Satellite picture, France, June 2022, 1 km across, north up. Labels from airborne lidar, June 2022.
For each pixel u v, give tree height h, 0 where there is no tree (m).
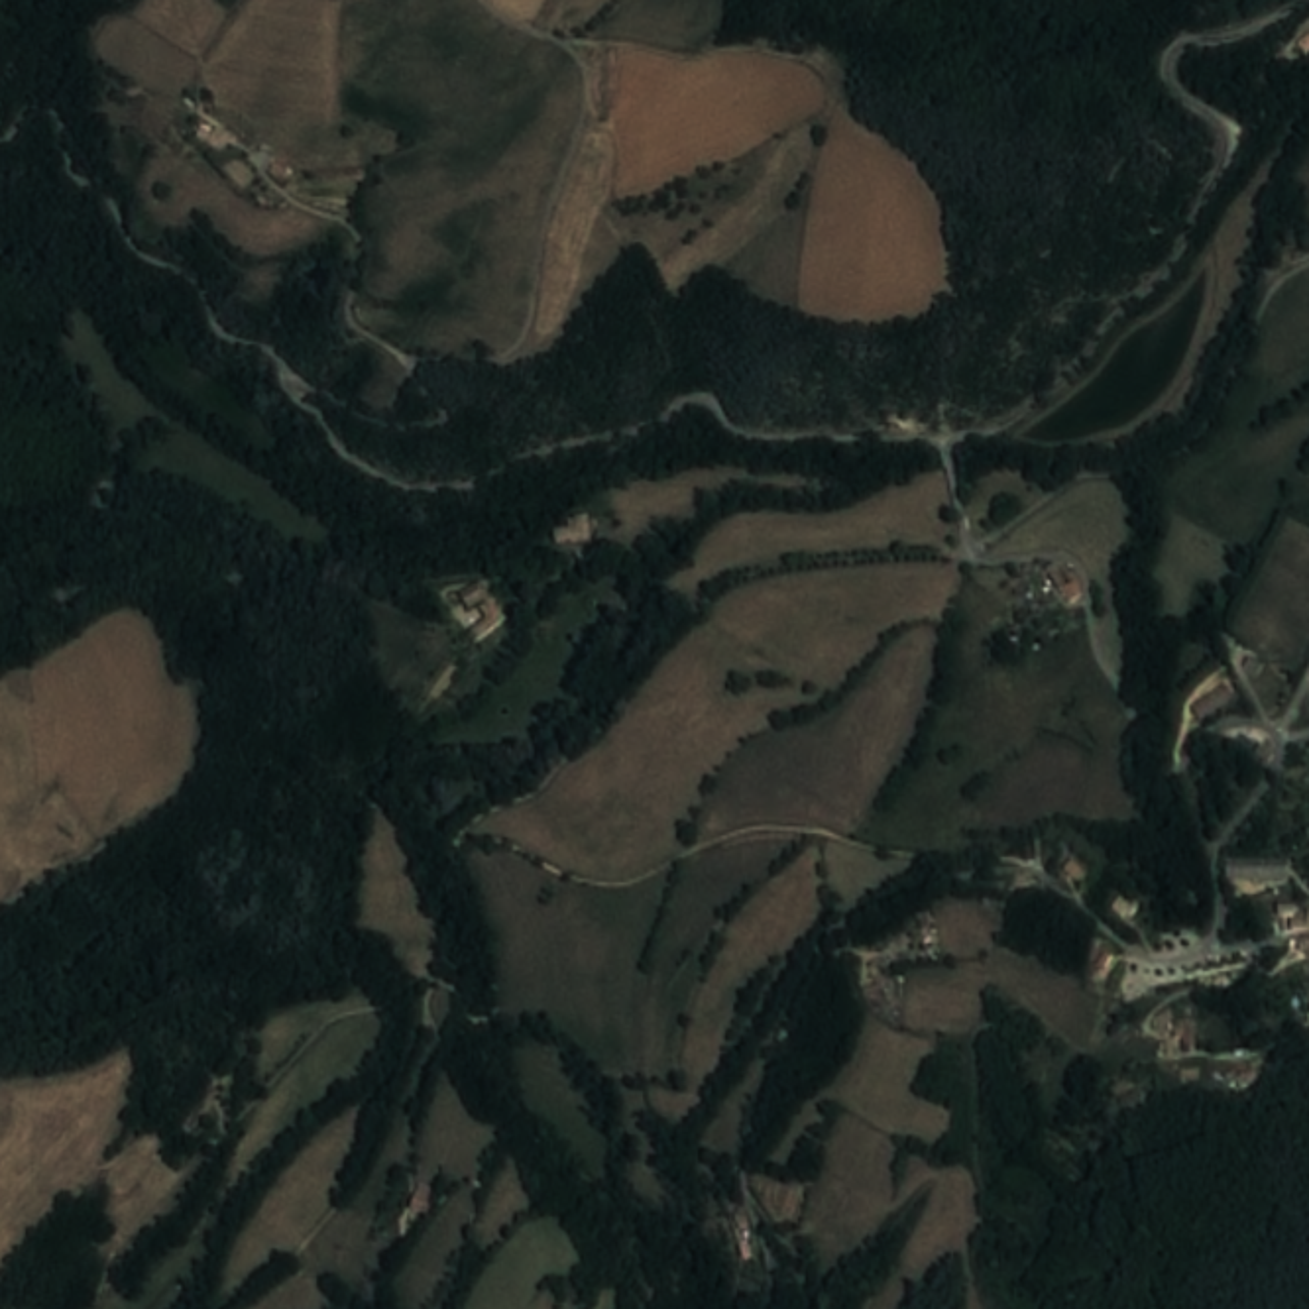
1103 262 14
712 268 13
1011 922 10
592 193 0
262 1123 0
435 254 0
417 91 0
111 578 19
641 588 28
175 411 11
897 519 0
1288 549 0
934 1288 19
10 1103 0
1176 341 0
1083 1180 7
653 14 0
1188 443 15
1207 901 18
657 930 8
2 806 0
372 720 7
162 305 15
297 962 15
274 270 0
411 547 19
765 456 19
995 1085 15
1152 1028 0
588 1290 12
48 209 15
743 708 0
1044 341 8
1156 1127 11
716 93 0
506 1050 14
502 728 0
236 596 20
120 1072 0
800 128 0
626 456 15
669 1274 10
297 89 0
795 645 0
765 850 0
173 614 17
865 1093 0
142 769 0
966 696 0
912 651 0
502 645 0
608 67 0
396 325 0
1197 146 13
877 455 24
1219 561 0
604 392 14
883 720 0
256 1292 17
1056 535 0
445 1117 0
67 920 21
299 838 14
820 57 0
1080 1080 25
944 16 16
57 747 0
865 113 15
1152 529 27
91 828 0
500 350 0
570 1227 14
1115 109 18
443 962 19
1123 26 16
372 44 0
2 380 17
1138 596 19
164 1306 0
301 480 14
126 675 0
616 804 0
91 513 20
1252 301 10
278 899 17
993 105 15
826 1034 13
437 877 17
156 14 0
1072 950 13
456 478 14
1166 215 8
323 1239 0
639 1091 23
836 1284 16
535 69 0
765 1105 17
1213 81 15
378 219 0
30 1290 12
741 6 11
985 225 11
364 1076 14
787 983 17
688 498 0
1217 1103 17
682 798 0
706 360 11
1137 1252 19
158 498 25
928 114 17
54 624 16
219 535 25
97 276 23
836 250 0
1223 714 8
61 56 16
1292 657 0
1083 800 0
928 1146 10
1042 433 0
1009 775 0
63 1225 13
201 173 0
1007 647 12
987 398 11
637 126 0
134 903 22
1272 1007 10
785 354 9
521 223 0
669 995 0
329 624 24
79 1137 0
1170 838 21
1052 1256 14
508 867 0
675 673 0
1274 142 17
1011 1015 10
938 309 14
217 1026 9
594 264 0
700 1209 13
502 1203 0
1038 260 7
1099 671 0
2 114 14
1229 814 15
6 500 12
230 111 0
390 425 12
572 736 25
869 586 0
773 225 0
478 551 23
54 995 29
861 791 0
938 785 0
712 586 17
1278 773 20
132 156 0
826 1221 0
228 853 25
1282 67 22
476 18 0
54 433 12
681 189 9
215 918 18
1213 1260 17
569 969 0
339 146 0
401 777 25
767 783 0
